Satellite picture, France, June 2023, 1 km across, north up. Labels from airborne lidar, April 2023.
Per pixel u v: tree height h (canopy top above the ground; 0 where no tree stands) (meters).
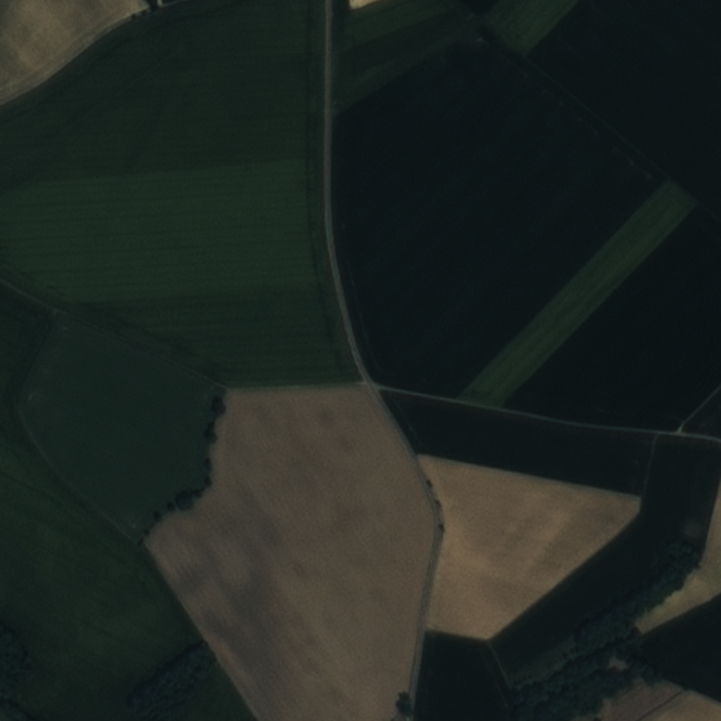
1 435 0
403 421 0
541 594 0
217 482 0
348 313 0
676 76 0
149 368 0
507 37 0
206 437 11
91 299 0
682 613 0
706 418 0
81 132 0
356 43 0
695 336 0
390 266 0
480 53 0
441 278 0
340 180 0
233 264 0
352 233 0
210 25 0
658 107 0
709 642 0
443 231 0
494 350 0
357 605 0
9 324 0
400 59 0
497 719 0
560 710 23
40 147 0
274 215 0
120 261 0
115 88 0
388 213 0
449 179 0
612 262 0
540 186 0
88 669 0
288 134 0
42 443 0
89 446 0
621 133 0
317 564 0
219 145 0
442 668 0
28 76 0
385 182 0
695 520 0
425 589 0
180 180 0
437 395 0
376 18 0
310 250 0
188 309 0
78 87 0
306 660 0
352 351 0
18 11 0
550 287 0
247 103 0
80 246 0
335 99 0
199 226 0
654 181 0
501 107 0
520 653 0
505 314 0
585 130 0
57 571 0
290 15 0
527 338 0
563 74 0
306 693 0
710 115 0
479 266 0
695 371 0
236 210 0
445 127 0
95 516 0
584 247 0
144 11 8
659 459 0
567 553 0
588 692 20
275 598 0
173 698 16
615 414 0
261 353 0
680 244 0
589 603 0
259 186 0
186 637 0
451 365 0
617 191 0
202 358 0
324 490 0
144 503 0
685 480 0
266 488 0
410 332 0
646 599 18
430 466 0
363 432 0
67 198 0
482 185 0
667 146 0
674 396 0
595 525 0
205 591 0
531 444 0
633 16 0
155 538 0
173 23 0
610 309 0
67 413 0
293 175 0
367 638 0
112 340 0
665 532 0
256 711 0
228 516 0
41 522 0
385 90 0
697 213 0
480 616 0
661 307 0
